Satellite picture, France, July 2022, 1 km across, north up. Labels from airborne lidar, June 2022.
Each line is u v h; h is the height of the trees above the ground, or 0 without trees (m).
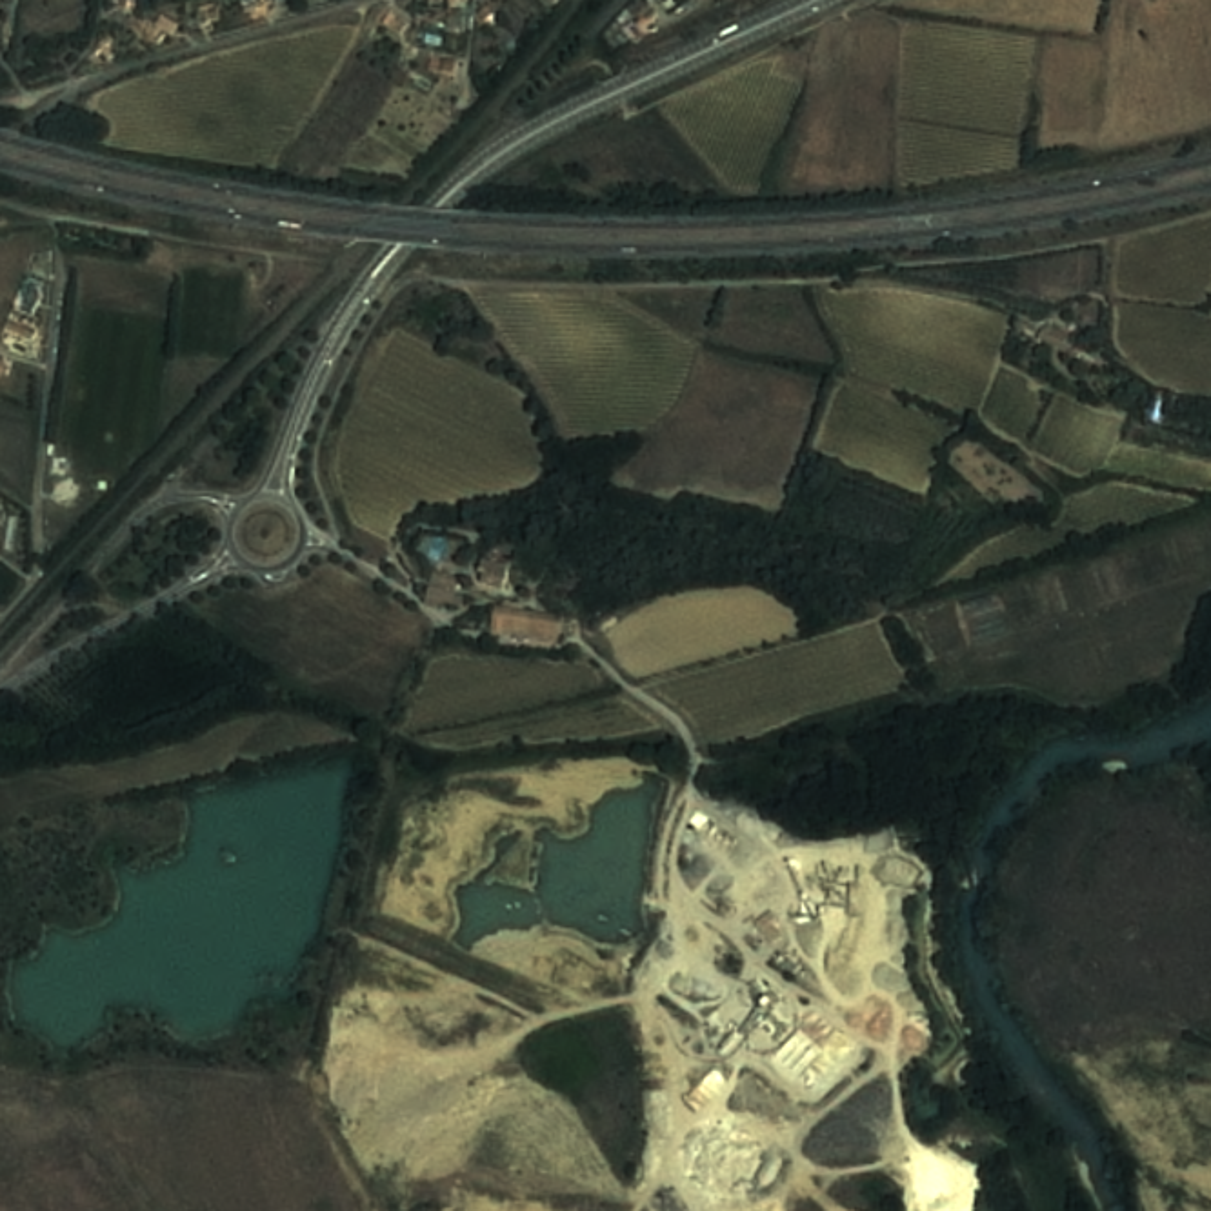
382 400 0
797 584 11
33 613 5
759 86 0
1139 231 0
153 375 0
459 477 0
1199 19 0
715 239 0
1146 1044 0
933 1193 0
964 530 11
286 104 0
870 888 0
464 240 0
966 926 0
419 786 0
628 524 8
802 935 0
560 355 0
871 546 6
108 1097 0
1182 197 0
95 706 6
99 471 0
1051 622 0
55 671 10
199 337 0
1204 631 13
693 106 0
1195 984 0
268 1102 0
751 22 0
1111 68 0
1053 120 0
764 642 7
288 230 0
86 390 0
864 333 0
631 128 0
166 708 6
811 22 0
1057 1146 24
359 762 7
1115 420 0
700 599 0
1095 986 0
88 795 0
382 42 6
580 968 0
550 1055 0
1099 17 9
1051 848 0
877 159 0
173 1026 0
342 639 0
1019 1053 0
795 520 8
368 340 0
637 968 0
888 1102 0
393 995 0
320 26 0
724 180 0
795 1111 0
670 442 0
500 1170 0
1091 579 0
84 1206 0
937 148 0
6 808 0
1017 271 6
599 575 9
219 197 0
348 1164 0
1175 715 16
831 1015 0
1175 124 0
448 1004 0
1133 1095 0
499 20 11
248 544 0
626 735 0
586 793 0
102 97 0
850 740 11
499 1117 0
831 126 0
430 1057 0
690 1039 0
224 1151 0
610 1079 0
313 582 0
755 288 5
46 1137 0
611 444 13
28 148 0
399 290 0
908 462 0
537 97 16
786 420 0
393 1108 0
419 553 7
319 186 16
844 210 14
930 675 8
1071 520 0
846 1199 0
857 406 0
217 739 0
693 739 0
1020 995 0
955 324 0
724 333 0
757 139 0
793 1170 0
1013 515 22
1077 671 0
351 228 0
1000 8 0
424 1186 0
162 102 0
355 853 12
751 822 0
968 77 0
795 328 0
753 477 0
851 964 0
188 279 0
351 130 0
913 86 0
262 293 0
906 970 8
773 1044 0
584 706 0
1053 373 13
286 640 0
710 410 0
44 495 0
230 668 6
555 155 0
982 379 0
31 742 24
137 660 12
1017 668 0
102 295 0
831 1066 0
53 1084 0
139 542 10
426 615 0
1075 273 0
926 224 0
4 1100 0
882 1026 0
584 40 16
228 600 0
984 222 0
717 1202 0
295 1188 0
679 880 0
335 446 0
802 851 0
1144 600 0
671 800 0
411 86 0
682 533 13
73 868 8
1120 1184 13
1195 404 9
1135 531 11
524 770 0
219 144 0
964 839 19
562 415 0
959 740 24
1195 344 0
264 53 0
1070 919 0
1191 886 0
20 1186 0
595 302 0
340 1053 0
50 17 0
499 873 0
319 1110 0
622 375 0
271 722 0
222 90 0
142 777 0
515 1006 0
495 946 0
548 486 9
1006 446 11
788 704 0
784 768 8
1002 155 0
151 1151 0
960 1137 0
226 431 13
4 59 8
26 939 9
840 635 0
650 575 9
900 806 23
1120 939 0
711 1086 0
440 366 0
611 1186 0
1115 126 0
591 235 0
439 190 0
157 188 0
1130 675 0
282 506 0
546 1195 0
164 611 19
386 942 0
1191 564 0
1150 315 0
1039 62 0
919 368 0
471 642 7
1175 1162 0
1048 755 0
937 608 0
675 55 0
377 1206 0
